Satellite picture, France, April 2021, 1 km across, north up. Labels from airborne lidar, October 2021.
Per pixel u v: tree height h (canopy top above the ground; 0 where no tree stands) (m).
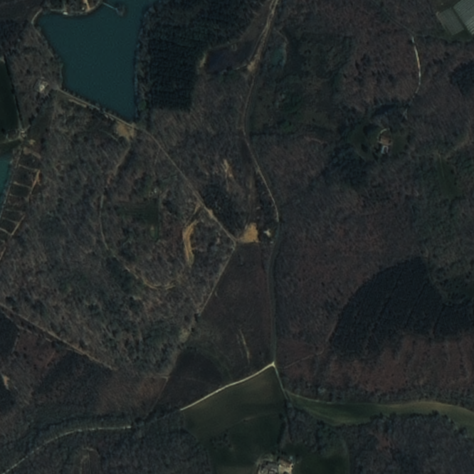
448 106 18
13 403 13
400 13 11
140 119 14
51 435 23
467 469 18
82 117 12
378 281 13
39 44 12
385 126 19
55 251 17
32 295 20
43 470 20
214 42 20
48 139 10
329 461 0
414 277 13
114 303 17
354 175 26
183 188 18
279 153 12
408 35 11
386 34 12
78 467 0
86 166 20
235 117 20
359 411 0
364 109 19
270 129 7
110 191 15
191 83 20
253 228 0
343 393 23
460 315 11
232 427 0
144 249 16
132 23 0
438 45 16
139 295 15
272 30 0
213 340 0
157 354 24
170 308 15
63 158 20
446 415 0
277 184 18
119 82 0
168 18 11
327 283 6
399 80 11
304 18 6
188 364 0
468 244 15
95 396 21
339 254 8
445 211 11
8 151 0
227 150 12
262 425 0
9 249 16
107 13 0
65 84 0
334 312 11
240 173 13
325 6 7
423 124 15
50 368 13
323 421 0
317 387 11
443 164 0
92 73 0
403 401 19
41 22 0
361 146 0
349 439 9
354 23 8
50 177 19
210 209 19
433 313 13
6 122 0
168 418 21
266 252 13
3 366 15
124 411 26
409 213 12
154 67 17
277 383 0
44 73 15
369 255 8
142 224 15
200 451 18
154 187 10
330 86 9
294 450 0
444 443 19
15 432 17
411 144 18
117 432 9
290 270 6
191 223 0
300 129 7
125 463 18
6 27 18
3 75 0
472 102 14
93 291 26
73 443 9
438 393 18
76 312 22
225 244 11
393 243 6
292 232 10
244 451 0
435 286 8
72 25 0
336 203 11
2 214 7
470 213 18
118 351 15
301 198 17
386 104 18
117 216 15
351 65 10
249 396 0
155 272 15
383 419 15
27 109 14
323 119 0
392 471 19
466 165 8
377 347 13
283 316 12
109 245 16
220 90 19
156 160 15
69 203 18
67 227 15
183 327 14
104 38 0
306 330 7
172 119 19
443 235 11
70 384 13
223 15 15
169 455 22
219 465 0
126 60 0
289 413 18
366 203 9
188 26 11
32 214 19
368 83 13
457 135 20
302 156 15
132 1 0
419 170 13
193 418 0
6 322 13
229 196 15
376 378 0
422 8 16
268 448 0
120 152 16
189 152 19
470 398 16
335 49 6
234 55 0
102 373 17
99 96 0
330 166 23
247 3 7
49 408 11
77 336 14
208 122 20
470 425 0
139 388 26
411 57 14
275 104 10
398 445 15
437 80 16
